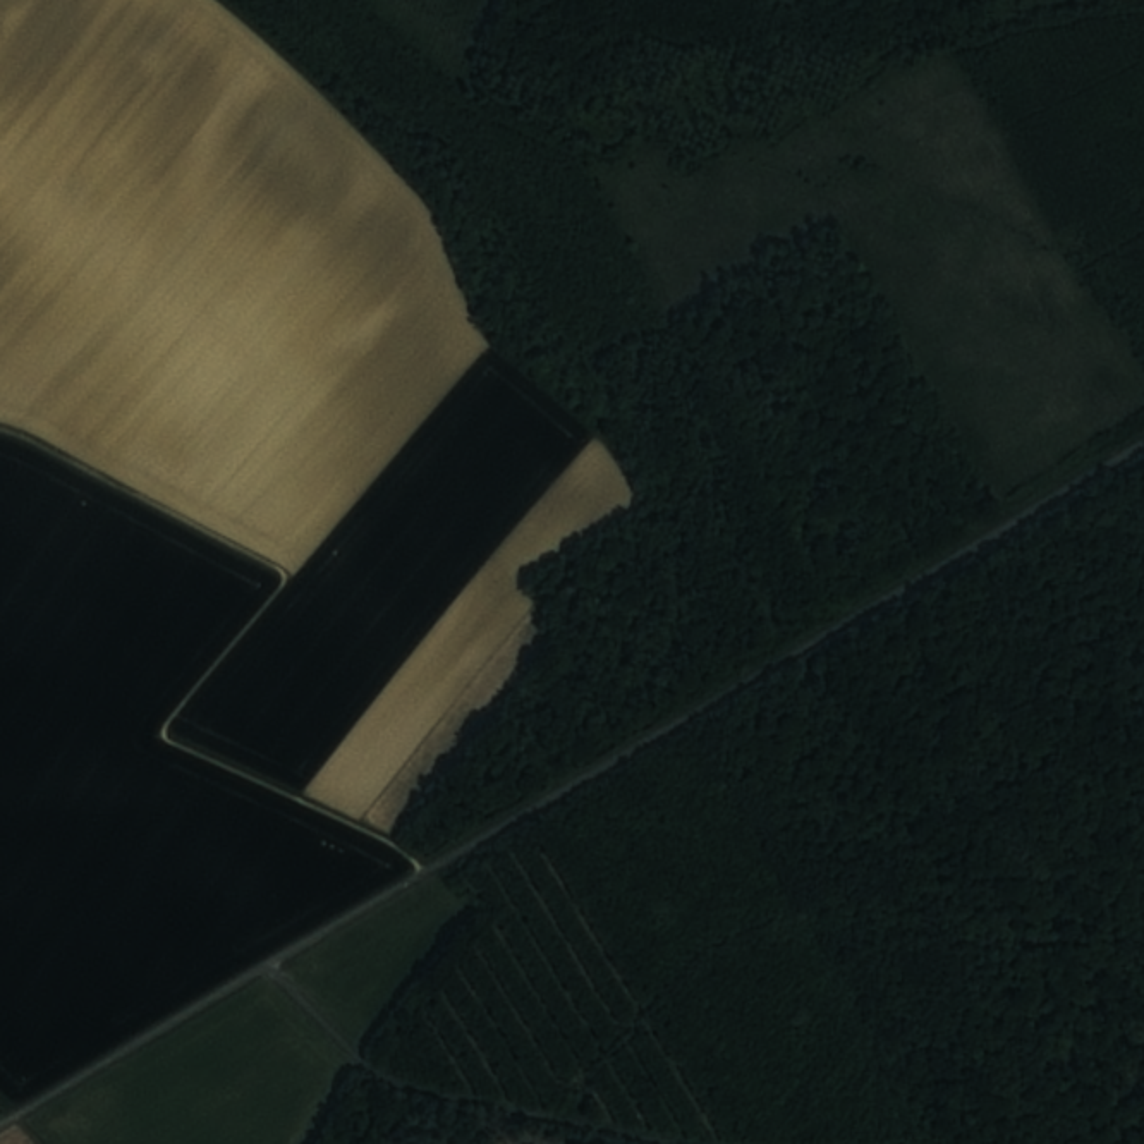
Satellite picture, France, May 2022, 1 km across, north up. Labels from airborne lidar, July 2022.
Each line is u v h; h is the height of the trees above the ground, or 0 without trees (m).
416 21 0
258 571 0
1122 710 30
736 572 21
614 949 16
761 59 19
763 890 15
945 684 23
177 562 0
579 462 0
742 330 24
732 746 18
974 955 16
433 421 0
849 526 24
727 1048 14
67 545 0
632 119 21
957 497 25
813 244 22
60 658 0
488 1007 15
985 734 23
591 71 22
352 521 0
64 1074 0
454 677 0
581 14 26
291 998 0
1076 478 0
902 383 26
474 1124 23
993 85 6
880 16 19
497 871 15
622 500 0
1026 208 0
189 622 0
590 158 8
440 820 26
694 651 23
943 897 19
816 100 23
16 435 0
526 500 0
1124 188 6
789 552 20
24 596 0
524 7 19
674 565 20
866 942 20
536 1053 17
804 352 19
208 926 0
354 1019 0
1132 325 11
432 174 22
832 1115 14
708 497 25
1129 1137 23
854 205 0
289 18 8
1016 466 0
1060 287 0
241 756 0
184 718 0
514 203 7
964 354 0
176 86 0
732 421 20
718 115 25
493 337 17
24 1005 0
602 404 21
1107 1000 21
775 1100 14
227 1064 0
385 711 0
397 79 8
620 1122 14
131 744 0
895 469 27
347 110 12
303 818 0
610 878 14
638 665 30
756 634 20
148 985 0
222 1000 0
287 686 0
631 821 15
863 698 23
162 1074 0
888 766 24
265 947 0
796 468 26
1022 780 23
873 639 27
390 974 0
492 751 26
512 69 21
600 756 8
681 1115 16
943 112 0
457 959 19
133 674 0
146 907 0
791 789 23
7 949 0
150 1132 0
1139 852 20
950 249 0
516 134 7
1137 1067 10
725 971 16
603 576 18
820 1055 14
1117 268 6
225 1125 0
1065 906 22
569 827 14
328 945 0
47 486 0
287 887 0
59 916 0
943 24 16
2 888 0
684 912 17
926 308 0
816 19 20
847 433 29
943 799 18
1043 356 0
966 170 0
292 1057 0
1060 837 17
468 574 0
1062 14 13
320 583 0
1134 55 6
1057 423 0
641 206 0
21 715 0
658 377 21
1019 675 23
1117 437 6
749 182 0
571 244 11
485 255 10
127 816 0
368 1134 21
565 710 26
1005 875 21
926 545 27
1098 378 0
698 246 0
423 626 0
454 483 0
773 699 23
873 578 27
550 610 24
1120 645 29
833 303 18
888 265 0
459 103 6
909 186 0
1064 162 6
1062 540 23
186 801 0
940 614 23
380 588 0
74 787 0
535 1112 12
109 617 0
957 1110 13
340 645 0
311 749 0
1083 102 5
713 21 17
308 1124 0
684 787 15
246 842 0
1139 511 22
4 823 0
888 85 0
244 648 0
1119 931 20
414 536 0
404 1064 16
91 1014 0
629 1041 16
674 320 14
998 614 26
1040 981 21
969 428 0
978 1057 20
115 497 0
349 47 7
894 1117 18
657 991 14
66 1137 0
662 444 23
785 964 16
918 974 21
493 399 0
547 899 17
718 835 15
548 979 17
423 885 0
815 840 22
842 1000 16
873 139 0
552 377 15
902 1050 17
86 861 0
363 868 0
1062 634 25
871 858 20
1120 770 23
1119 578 25
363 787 0
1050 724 18
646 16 17
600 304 6
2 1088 0
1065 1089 20
